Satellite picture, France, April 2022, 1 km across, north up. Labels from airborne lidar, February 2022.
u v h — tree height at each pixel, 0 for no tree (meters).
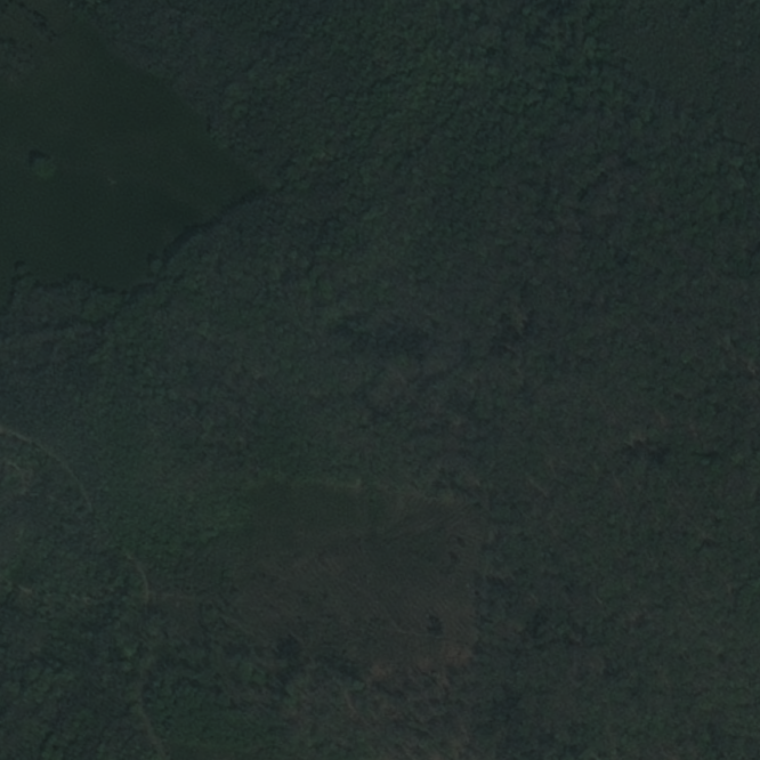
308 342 29
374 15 20
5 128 0
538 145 24
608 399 27
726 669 27
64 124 0
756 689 24
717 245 31
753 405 30
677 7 17
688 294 32
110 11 18
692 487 28
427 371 32
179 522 25
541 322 30
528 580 29
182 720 23
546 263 28
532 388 24
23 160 0
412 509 0
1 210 0
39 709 18
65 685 26
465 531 0
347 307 35
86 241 0
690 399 30
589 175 29
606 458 28
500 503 28
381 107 10
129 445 23
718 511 27
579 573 28
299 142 16
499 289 30
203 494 27
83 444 18
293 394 25
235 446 28
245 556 6
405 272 30
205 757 0
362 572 0
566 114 28
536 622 19
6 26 0
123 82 0
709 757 25
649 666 27
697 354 31
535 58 33
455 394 24
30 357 18
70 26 0
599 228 30
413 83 14
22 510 24
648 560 29
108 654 23
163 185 0
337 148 18
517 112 25
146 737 19
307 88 20
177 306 29
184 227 0
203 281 29
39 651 24
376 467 24
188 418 29
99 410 19
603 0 28
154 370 28
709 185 31
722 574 29
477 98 23
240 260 27
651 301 27
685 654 28
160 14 22
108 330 25
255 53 16
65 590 18
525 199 27
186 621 0
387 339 34
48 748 22
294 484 21
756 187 30
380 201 27
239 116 22
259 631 0
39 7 0
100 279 0
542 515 29
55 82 0
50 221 0
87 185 0
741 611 27
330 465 23
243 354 30
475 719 28
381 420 25
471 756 28
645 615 29
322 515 0
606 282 23
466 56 23
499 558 26
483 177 25
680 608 28
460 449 11
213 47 21
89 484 15
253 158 16
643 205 30
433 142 22
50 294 20
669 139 34
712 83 8
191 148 0
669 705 25
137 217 0
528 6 32
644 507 27
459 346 29
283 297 27
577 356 23
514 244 29
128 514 21
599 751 28
